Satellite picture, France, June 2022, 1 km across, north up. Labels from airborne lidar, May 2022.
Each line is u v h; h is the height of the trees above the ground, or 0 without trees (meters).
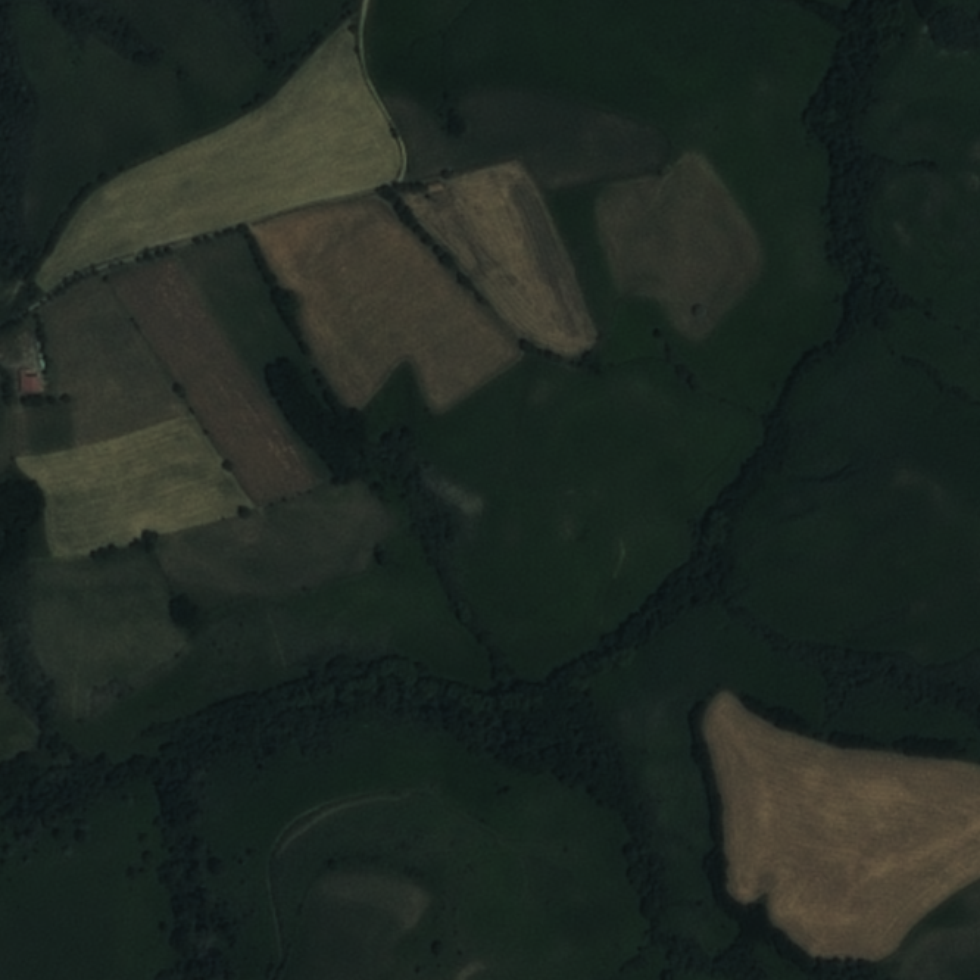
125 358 0
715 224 0
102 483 0
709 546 16
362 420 16
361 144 0
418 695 23
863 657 8
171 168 0
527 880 0
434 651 0
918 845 0
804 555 0
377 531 0
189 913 24
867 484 0
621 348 0
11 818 12
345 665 13
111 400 0
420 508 14
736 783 0
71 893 0
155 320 0
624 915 0
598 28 0
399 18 0
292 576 0
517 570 0
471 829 0
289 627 0
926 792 0
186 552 0
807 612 0
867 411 0
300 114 0
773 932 11
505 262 0
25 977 0
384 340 0
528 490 0
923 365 9
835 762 0
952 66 0
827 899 0
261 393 0
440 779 0
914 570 0
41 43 0
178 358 0
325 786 0
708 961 9
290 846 0
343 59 0
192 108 0
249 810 0
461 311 0
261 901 0
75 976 0
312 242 0
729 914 7
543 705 23
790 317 0
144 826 0
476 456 0
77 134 0
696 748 12
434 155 0
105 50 0
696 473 0
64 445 0
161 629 0
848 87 21
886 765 0
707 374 0
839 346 16
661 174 6
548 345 0
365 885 0
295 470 0
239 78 0
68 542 0
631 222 0
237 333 0
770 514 0
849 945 0
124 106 0
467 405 0
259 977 0
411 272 0
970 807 0
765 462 13
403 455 17
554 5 0
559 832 0
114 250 0
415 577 0
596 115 0
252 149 0
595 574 0
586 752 15
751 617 8
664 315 0
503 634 0
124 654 0
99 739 0
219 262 0
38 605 0
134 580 0
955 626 0
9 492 15
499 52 0
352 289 0
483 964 0
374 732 0
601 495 0
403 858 0
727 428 0
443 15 0
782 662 0
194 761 10
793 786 0
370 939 0
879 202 0
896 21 22
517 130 0
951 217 0
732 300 0
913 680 15
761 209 0
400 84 0
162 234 0
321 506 0
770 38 0
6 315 0
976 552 0
